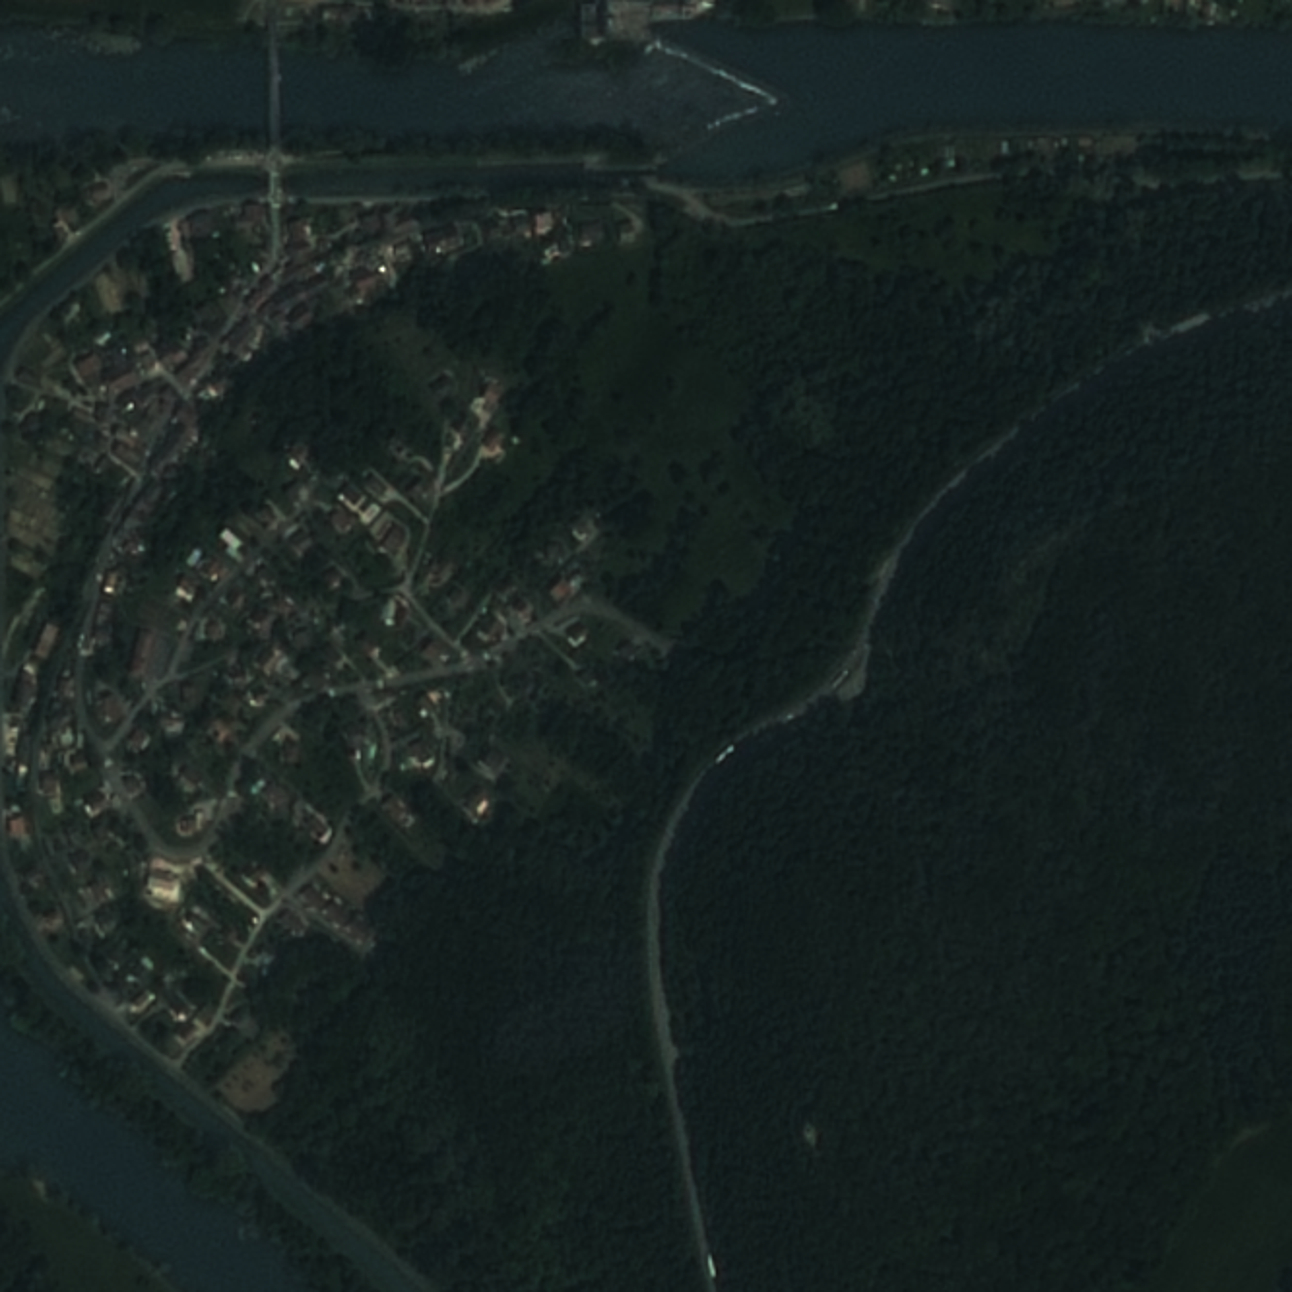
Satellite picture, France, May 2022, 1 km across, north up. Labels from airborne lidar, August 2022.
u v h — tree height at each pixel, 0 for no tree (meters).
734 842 16
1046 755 21
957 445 24
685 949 9
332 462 16
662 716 14
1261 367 19
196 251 16
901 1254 19
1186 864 23
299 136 9
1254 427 14
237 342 0
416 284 6
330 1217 0
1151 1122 19
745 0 23
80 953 20
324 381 20
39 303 0
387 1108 23
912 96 0
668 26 0
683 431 0
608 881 15
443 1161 31
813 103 0
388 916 22
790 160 0
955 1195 22
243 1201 21
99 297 0
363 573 8
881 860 13
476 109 0
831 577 24
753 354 6
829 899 8
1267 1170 0
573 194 12
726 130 0
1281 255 21
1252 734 15
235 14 0
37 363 0
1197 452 9
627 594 16
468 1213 24
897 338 16
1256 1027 22
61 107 0
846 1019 18
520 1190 21
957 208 0
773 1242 11
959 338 18
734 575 0
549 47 0
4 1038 0
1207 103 0
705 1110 12
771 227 6
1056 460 16
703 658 19
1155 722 13
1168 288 20
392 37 34
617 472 18
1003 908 18
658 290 17
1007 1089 16
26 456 0
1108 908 22
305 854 10
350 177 0
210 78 0
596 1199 16
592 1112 20
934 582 9
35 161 11
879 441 24
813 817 17
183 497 7
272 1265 0
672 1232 15
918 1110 16
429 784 16
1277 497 23
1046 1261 23
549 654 5
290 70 0
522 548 13
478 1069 22
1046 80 0
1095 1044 26
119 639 8
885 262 0
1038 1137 27
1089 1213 20
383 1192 20
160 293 15
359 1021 23
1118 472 19
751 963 11
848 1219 13
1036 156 9
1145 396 17
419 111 0
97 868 6
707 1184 7
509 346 14
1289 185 24
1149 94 0
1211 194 18
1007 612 7
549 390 18
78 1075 18
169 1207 0
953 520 12
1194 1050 26
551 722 17
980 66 0
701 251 0
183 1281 0
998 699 10
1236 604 13
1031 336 27
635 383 0
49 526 0
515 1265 21
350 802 0
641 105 0
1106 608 14
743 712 18
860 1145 13
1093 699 21
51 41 0
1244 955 23
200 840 0
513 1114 21
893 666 16
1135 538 7
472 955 19
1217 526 12
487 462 7
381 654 0
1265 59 0
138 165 0
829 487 24
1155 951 24
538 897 22
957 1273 18
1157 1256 25
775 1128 11
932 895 20
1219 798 16
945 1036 15
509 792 17
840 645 16
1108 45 0
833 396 18
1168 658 18
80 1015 0
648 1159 21
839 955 11
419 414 6
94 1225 7
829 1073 16
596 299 0
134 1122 13
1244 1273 0
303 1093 13
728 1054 16
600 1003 23
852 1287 15
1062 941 17
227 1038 11
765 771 20
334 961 20
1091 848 23
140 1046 0
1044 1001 18
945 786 18
